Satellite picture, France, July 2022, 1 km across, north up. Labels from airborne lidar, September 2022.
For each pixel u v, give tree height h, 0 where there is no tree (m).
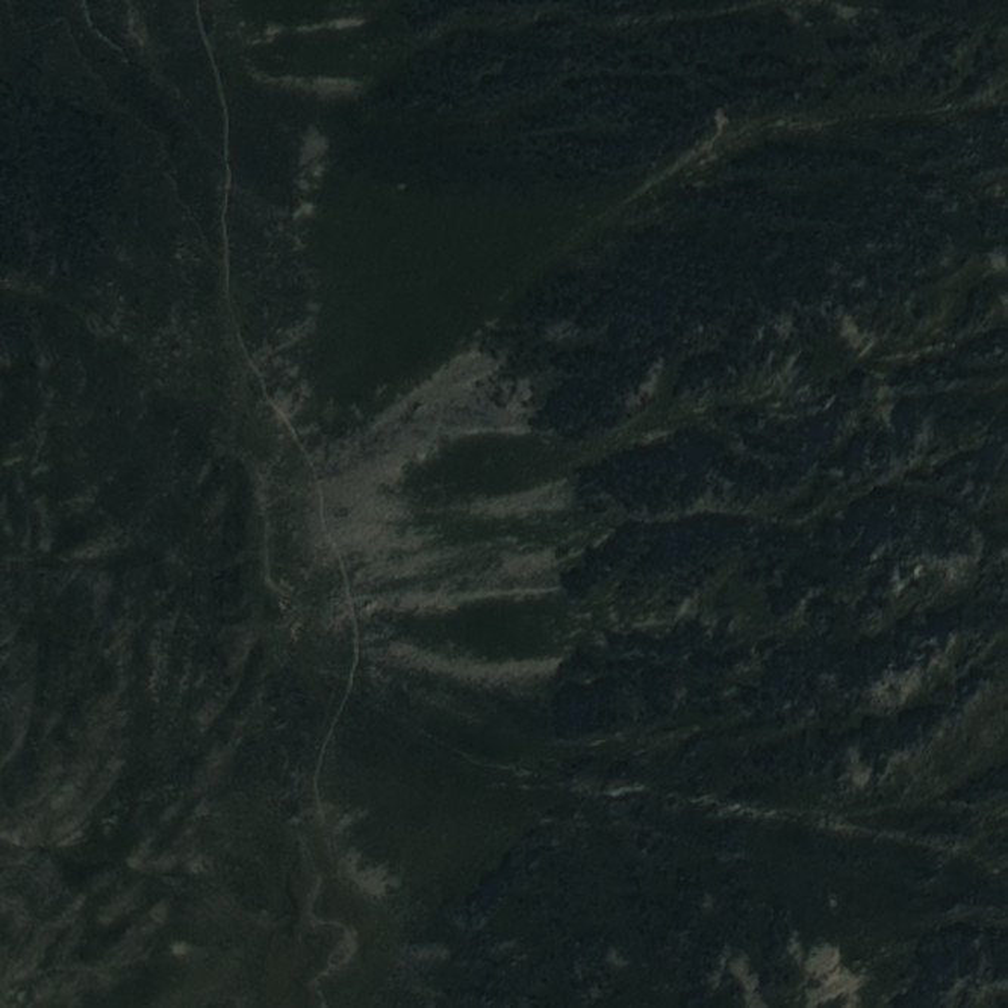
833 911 0
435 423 0
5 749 0
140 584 0
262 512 0
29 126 0
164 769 0
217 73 0
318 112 0
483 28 0
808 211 9
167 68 0
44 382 0
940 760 0
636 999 0
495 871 0
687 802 0
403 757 0
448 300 0
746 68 12
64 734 0
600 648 0
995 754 0
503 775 0
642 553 0
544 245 0
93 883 0
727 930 0
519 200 0
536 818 0
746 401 0
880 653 10
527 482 0
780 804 0
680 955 0
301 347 0
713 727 0
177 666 0
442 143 0
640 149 10
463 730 0
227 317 0
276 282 0
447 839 0
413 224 0
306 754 0
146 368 0
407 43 0
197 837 0
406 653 0
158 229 0
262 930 0
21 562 0
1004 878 0
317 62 0
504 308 0
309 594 0
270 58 0
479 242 0
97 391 0
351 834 0
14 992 0
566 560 0
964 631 0
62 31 0
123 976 0
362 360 0
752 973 0
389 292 0
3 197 10
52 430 0
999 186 0
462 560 0
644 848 12
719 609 0
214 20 0
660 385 0
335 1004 0
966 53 0
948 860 0
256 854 0
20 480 0
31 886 0
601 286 0
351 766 0
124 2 0
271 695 0
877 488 0
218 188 0
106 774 0
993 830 0
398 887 0
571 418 12
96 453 0
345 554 0
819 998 0
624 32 0
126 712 0
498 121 0
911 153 0
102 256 0
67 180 24
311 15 0
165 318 0
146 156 0
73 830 0
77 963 0
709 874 0
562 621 0
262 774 0
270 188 0
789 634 0
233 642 0
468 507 0
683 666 0
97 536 0
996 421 0
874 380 0
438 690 0
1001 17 0
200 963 0
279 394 0
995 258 0
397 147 0
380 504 0
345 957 0
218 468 9
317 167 0
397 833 0
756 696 7
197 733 0
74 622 0
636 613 0
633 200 0
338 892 0
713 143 0
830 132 0
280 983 0
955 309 0
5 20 0
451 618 0
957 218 0
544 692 0
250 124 0
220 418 0
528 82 8
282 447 0
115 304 0
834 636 0
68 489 0
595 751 0
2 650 0
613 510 0
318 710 0
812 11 0
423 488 0
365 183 0
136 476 0
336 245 0
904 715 0
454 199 0
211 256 0
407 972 0
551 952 0
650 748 0
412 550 0
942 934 0
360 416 0
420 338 0
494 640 0
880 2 0
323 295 0
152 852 0
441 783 0
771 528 0
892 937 0
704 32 10
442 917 0
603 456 0
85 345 0
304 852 0
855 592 0
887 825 0
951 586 0
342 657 0
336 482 0
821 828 0
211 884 0
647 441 0
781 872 0
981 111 0
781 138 0
